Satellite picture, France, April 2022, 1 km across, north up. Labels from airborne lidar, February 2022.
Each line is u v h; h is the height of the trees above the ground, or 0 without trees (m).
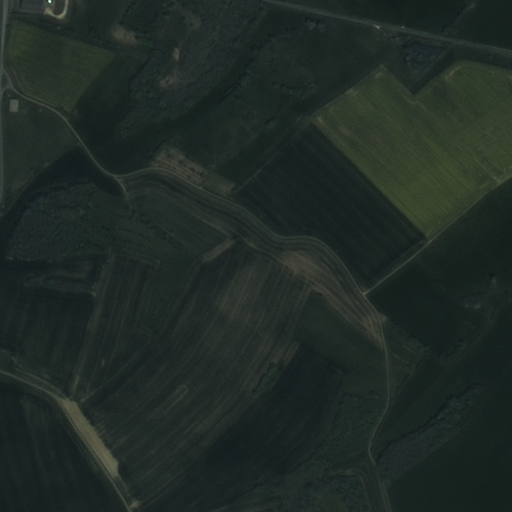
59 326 0
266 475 0
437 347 0
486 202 0
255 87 8
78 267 0
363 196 0
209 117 0
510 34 0
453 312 0
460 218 0
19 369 0
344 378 0
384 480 8
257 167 0
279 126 0
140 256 0
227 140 0
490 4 0
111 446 0
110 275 0
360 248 0
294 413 0
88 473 0
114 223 0
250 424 0
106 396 0
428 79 0
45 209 14
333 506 0
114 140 0
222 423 0
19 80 0
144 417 0
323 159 0
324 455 11
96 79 0
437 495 0
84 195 15
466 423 0
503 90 0
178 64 0
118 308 0
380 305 0
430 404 0
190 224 0
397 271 0
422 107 0
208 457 0
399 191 0
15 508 0
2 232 0
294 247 0
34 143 0
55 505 0
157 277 0
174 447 0
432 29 0
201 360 0
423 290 0
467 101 0
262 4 16
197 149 0
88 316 0
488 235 0
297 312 0
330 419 0
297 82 0
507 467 0
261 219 0
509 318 0
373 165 0
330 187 0
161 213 0
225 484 0
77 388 0
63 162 0
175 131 0
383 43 0
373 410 8
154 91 21
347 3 0
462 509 0
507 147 0
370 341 0
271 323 0
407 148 0
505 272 0
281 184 0
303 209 0
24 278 0
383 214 0
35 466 0
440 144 0
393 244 0
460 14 11
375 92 0
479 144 0
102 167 0
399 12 0
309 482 0
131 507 0
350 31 0
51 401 0
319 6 0
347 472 0
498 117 0
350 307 0
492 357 0
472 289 0
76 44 0
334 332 0
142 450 0
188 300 0
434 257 0
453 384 0
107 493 0
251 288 0
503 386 0
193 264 0
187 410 0
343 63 0
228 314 0
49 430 0
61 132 0
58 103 0
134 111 17
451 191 0
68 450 0
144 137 0
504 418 0
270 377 7
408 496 0
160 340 0
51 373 0
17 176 0
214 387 0
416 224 0
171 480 0
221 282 0
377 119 0
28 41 0
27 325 0
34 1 0
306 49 0
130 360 0
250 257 0
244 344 0
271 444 0
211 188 0
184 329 0
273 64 6
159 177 0
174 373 0
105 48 0
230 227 0
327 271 0
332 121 0
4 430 0
